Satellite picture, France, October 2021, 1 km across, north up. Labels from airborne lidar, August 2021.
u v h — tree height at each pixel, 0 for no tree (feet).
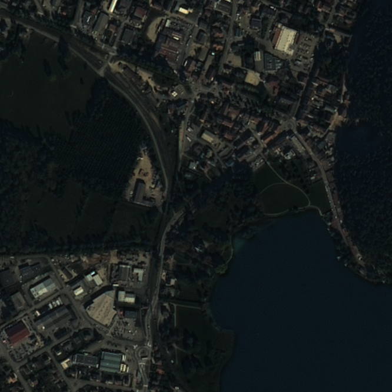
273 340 0
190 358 0
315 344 0
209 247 0
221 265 78
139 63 74
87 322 0
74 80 0
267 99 30
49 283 0
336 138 0
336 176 38
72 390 0
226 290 0
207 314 25
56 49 0
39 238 50
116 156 40
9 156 109
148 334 0
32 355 0
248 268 0
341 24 0
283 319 0
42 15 0
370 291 0
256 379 0
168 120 0
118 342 0
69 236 0
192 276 59
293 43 0
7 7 0
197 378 0
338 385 0
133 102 0
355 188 109
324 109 21
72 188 0
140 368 0
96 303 0
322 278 0
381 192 98
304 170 23
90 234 0
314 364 0
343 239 54
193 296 0
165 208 31
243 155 0
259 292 0
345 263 31
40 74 0
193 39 0
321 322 0
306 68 0
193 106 0
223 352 20
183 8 0
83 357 0
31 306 0
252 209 77
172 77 73
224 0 0
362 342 0
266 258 0
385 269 47
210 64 0
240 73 0
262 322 0
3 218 130
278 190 0
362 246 89
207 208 90
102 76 0
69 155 28
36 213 0
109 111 41
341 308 0
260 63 0
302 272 0
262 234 0
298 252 0
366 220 91
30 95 0
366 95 100
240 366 0
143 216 0
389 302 0
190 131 0
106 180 50
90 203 0
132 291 0
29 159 124
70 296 0
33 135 0
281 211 0
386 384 0
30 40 0
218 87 0
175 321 0
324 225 0
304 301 0
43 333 0
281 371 0
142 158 0
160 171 38
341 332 0
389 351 0
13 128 0
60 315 0
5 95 0
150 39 0
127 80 0
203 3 0
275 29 0
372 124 40
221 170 0
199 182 0
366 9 69
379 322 0
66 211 0
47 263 0
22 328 0
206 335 0
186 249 76
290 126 0
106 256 0
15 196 128
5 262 0
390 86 51
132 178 0
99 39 0
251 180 109
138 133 48
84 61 0
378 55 50
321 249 0
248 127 0
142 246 41
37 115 0
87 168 40
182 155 0
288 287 0
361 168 95
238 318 0
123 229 0
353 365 0
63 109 0
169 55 0
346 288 0
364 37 52
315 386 0
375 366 0
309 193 37
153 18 0
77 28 0
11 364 0
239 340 0
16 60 0
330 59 59
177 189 30
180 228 0
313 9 27
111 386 0
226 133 0
